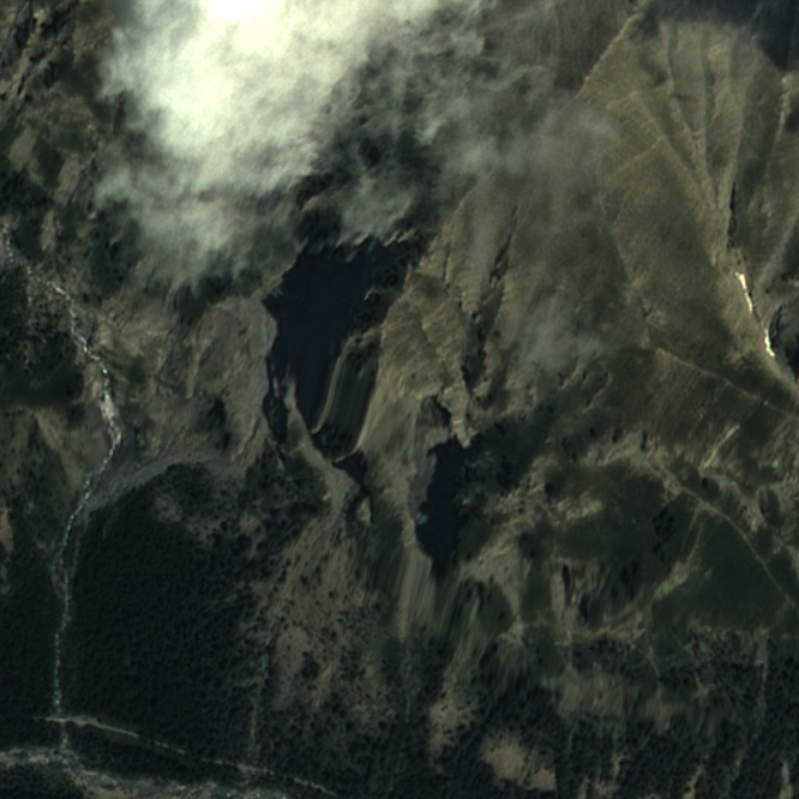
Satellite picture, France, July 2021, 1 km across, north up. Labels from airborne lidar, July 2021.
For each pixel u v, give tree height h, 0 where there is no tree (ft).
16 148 0
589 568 0
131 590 35
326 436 0
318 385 0
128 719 19
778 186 0
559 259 0
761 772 46
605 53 0
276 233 0
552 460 0
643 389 0
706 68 0
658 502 0
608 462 0
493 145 0
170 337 0
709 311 0
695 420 0
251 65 0
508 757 0
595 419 0
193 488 23
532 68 0
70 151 0
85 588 27
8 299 47
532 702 37
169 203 0
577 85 0
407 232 0
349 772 22
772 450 0
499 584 0
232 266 39
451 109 0
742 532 0
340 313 0
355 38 0
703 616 0
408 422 0
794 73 0
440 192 0
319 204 0
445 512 0
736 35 0
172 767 45
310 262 0
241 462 0
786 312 0
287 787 22
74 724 42
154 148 0
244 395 0
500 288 0
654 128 0
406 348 0
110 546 25
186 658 28
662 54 0
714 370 0
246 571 32
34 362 37
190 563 24
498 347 0
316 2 0
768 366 0
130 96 0
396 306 0
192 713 59
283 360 0
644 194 0
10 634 31
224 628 42
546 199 0
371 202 0
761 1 0
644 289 0
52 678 43
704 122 0
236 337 0
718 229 0
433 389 0
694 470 0
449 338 0
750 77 0
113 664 19
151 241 0
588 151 0
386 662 30
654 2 0
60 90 0
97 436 0
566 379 0
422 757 73
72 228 0
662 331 0
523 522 0
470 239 0
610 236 0
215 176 0
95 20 0
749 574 0
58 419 25
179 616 39
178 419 0
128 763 35
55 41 0
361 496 0
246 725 29
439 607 0
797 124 0
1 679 25
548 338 0
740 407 0
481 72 0
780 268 0
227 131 0
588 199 0
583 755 31
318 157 27
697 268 0
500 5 0
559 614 0
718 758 50
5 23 0
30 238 0
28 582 19
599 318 0
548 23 0
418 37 0
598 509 0
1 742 42
